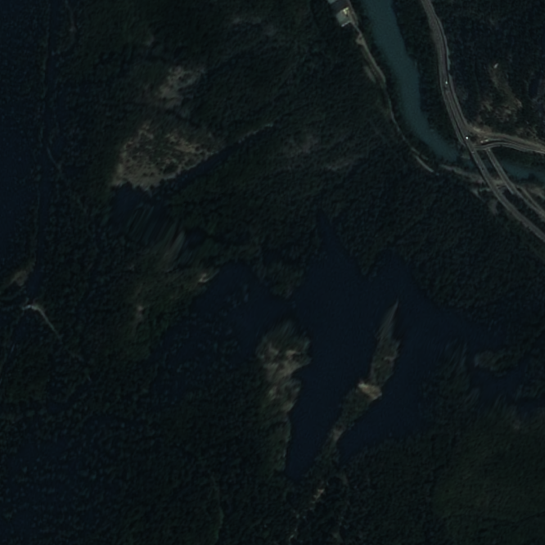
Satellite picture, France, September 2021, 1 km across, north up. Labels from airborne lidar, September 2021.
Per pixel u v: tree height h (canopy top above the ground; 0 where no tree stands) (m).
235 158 19
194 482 25
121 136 11
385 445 13
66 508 19
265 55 14
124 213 26
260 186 11
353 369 11
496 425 22
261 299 6
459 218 12
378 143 9
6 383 12
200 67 7
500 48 9
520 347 15
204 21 24
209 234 23
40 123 19
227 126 14
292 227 14
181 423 18
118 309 18
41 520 22
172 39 32
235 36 13
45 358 16
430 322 12
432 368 19
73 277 19
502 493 16
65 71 33
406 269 14
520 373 16
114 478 23
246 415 26
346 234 24
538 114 8
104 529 20
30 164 22
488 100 6
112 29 19
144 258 8
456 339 17
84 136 29
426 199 15
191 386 16
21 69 15
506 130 13
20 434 12
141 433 25
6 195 21
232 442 16
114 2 17
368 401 14
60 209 30
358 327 24
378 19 0
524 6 18
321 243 18
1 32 23
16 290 12
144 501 25
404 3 16
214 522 21
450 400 19
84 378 24
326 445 8
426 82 14
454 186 6
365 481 24
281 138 8
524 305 21
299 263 19
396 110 15
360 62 13
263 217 19
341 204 14
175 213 11
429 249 14
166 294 14
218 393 20
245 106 14
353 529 25
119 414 27
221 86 16
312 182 12
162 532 26
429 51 17
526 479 19
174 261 14
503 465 24
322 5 22
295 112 7
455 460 25
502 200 0
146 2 23
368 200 18
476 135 6
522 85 13
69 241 24
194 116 12
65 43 20
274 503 27
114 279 21
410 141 17
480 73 10
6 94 24
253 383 27
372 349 8
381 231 24
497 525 27
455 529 13
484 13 7
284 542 26
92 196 21
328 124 9
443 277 15
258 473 16
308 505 29
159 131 8
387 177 19
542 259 8
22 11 27
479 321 21
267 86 15
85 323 32
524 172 0
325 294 23
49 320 10
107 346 23
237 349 31
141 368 29
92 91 25
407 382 20
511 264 17
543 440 19
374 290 19
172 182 9
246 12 7
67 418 27
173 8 32
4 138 28
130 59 12
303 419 0
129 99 13
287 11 14
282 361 9
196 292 14
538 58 10
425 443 24
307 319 16
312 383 0
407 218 10
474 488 14
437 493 19
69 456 31
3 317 20
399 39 0
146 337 13
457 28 11
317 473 20
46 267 24
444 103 7
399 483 23
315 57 14
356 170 11
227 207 28
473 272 13
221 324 21
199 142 12
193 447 28
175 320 30
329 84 12
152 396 34
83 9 23
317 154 8
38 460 26
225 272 14
